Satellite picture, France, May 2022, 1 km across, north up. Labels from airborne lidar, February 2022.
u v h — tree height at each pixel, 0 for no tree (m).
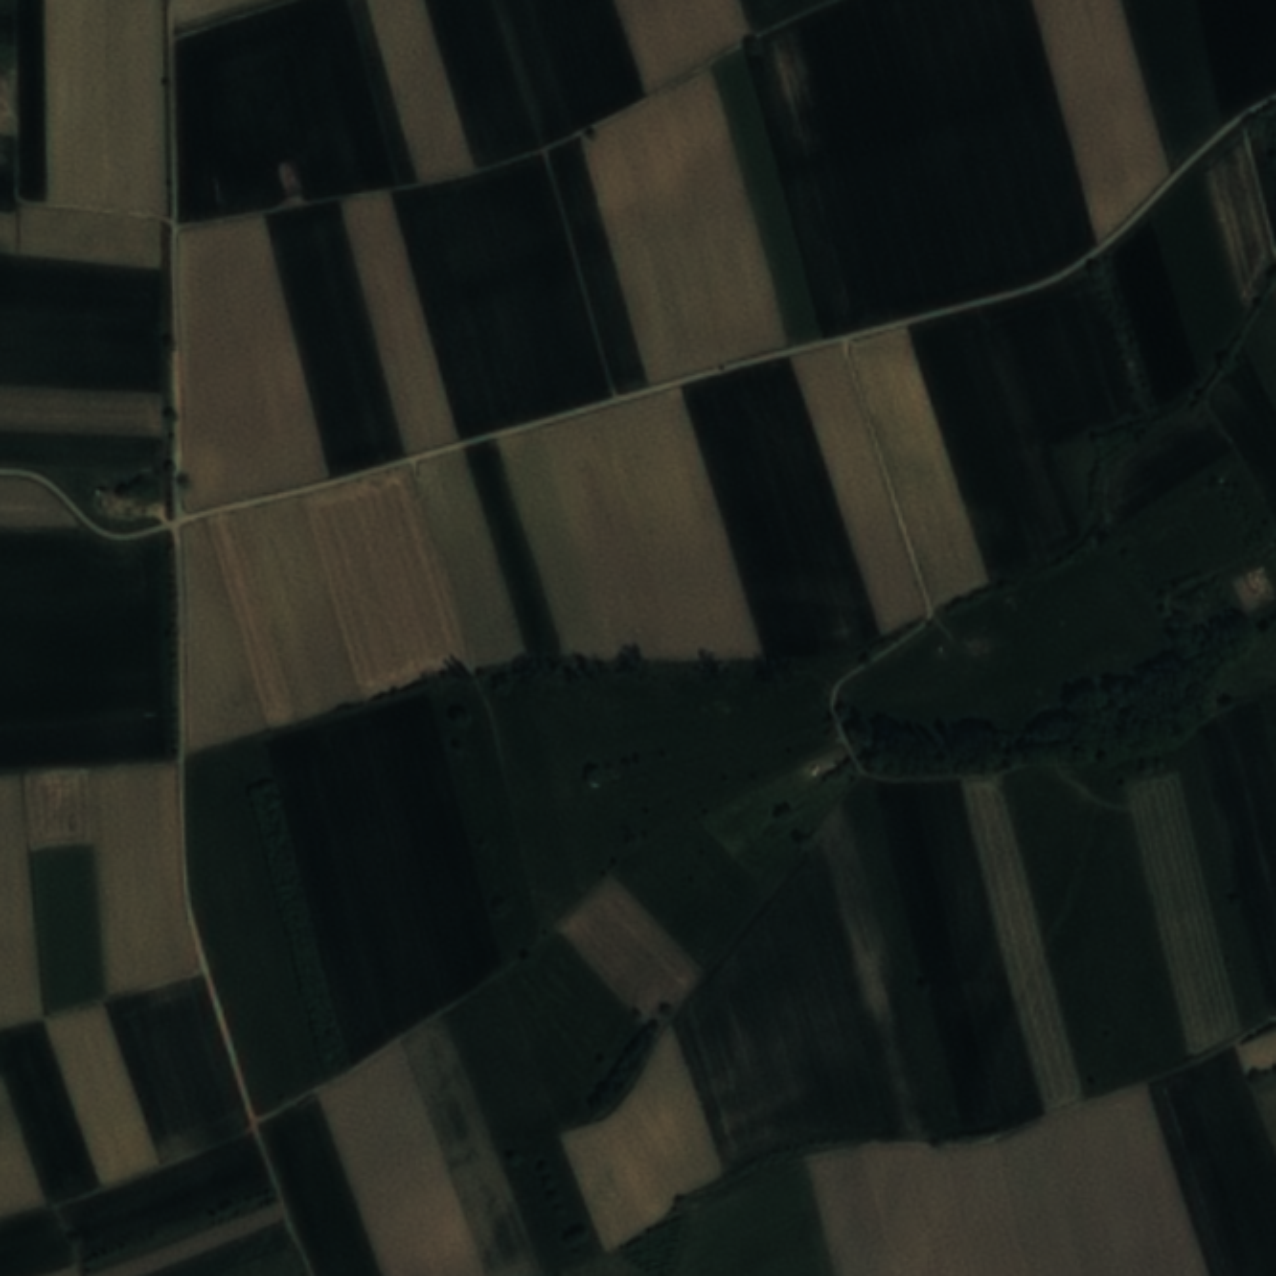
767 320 0
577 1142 0
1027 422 0
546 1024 0
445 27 0
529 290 0
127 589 0
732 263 0
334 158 0
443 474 0
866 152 0
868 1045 0
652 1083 0
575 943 0
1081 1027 0
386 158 0
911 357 0
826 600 0
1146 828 0
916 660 0
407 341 0
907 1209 0
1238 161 0
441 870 0
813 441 0
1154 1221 0
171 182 0
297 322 0
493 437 0
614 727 0
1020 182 0
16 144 0
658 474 0
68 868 0
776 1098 0
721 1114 0
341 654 0
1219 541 0
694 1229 0
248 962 0
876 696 0
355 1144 0
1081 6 0
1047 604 0
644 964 0
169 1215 0
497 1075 0
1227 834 0
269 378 0
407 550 0
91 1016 0
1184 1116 0
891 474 0
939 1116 0
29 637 0
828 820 0
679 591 0
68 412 0
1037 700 0
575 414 0
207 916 0
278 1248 0
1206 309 0
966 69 0
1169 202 0
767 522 0
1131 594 0
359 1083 0
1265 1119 0
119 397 0
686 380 0
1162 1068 0
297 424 0
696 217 0
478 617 0
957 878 0
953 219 0
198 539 0
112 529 0
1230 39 0
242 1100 0
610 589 0
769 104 0
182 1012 0
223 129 0
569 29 0
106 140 0
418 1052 0
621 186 0
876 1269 0
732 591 0
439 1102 0
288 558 0
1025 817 0
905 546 0
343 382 0
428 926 0
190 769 0
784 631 0
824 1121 0
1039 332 0
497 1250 0
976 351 0
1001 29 0
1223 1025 0
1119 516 0
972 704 0
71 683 0
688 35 0
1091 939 0
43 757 0
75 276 0
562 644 0
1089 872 0
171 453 0
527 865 0
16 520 0
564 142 0
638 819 0
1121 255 0
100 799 0
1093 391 0
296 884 8
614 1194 0
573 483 0
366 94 0
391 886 0
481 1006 0
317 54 0
